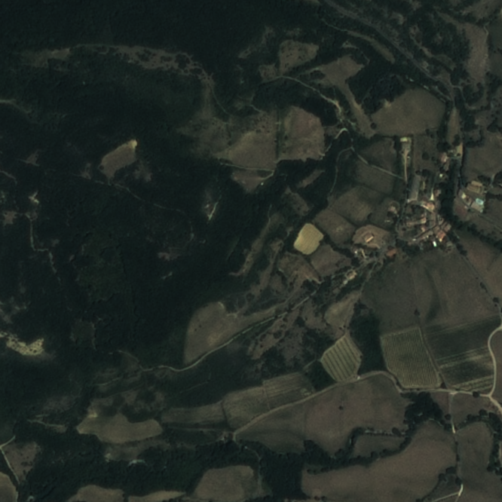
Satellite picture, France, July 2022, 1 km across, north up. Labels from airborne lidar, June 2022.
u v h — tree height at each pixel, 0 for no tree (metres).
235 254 11
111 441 0
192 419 0
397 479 0
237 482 0
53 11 12
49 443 10
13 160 9
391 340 0
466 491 0
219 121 0
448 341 0
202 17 10
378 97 12
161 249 8
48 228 11
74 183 7
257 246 0
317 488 0
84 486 7
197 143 0
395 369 0
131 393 0
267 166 0
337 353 0
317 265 0
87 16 10
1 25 12
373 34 9
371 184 0
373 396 0
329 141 6
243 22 10
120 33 8
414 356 0
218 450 10
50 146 8
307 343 6
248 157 0
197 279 10
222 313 0
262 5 11
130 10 10
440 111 0
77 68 7
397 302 0
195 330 0
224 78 9
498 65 0
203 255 9
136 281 9
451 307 0
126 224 11
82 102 8
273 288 0
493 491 0
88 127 6
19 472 0
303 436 0
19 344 0
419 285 0
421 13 9
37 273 8
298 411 0
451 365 0
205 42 10
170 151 11
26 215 7
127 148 0
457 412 0
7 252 8
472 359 0
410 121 0
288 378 0
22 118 10
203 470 7
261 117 0
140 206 7
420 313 9
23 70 8
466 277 0
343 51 9
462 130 8
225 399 0
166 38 7
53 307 10
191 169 12
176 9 9
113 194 10
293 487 11
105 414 0
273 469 13
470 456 0
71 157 7
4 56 8
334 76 0
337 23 10
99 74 6
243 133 0
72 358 14
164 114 8
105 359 9
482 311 0
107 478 9
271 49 7
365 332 6
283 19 16
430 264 0
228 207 7
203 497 0
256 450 8
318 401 0
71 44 10
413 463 0
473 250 0
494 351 0
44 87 11
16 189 7
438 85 12
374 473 0
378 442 0
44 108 6
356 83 8
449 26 7
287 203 9
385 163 0
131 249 13
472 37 0
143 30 7
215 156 0
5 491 0
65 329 13
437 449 0
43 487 16
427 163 0
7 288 7
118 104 9
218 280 8
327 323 7
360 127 0
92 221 13
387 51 0
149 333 12
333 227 0
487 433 0
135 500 0
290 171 10
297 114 0
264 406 0
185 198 6
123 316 12
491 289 0
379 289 0
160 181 6
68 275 10
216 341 0
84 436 10
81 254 13
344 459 11
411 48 6
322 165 10
